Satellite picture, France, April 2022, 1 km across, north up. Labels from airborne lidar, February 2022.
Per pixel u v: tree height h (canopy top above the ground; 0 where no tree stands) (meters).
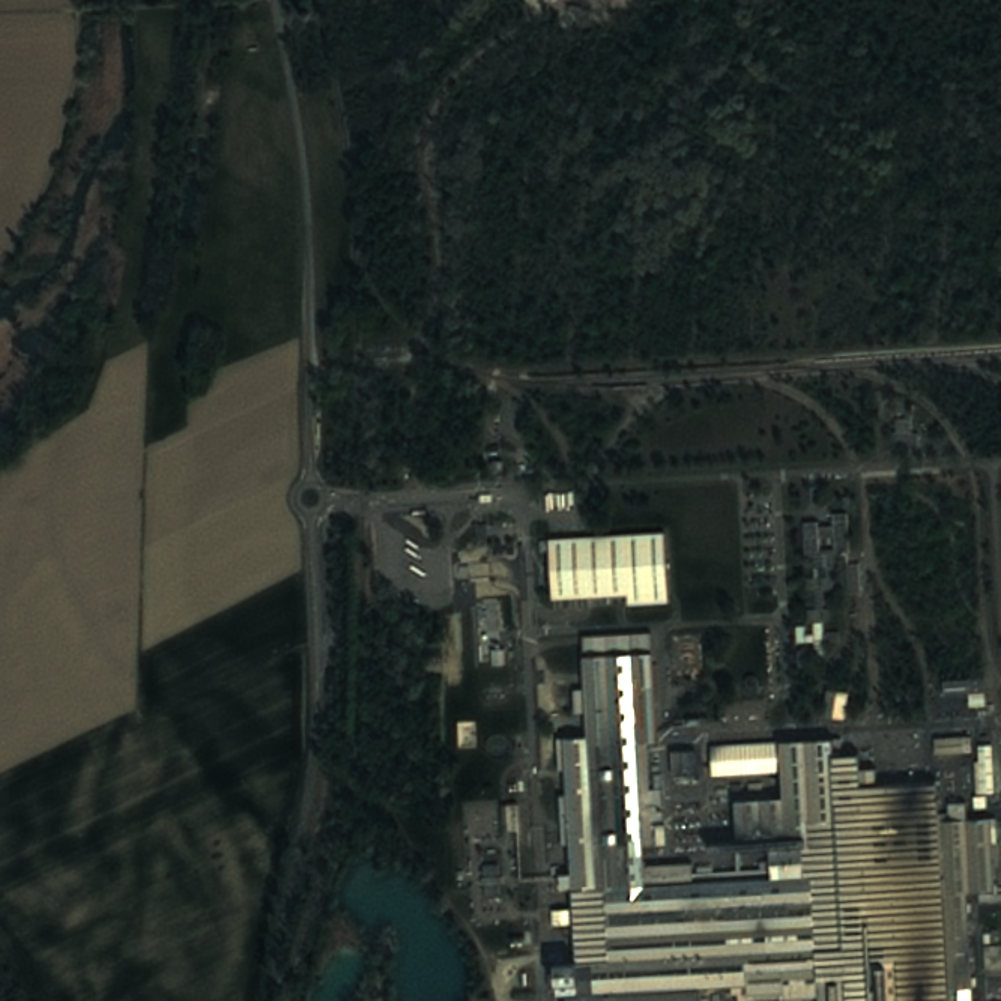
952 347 0
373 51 7
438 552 0
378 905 0
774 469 0
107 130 0
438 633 16
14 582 0
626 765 0
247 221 0
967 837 0
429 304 26
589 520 17
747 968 0
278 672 0
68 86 0
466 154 24
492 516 0
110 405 0
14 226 0
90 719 0
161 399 0
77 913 0
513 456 0
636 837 0
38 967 0
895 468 0
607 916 0
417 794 32
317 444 0
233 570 0
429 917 0
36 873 0
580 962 0
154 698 0
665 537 0
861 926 0
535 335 6
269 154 0
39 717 0
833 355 0
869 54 21
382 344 0
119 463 0
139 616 0
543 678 0
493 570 0
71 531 0
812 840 0
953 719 0
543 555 0
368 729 28
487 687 0
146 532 0
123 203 6
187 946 0
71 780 0
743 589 0
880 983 0
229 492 0
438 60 12
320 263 0
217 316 0
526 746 0
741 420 0
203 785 0
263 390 0
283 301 0
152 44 0
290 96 0
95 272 13
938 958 0
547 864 0
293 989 26
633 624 0
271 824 0
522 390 0
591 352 17
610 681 0
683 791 0
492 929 0
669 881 0
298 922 22
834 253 10
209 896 0
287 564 0
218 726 0
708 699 15
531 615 0
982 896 0
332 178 0
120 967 0
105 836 0
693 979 0
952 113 26
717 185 23
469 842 0
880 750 0
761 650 0
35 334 0
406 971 0
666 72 23
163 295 19
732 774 0
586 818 0
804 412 0
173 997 0
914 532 17
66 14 0
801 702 20
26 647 0
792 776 0
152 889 0
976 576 11
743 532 0
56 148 0
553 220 14
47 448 0
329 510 0
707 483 0
